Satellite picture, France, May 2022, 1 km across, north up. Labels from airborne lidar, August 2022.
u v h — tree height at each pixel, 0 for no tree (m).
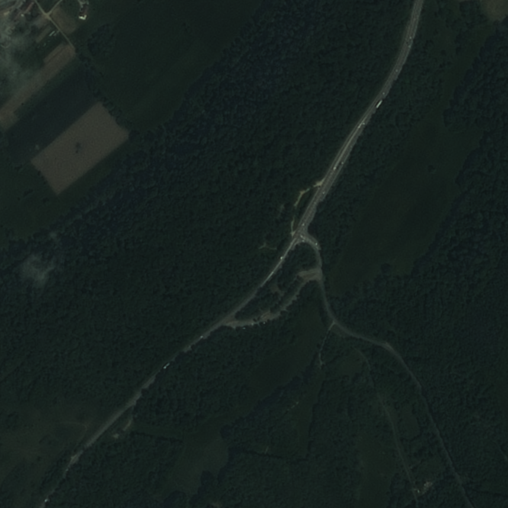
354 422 23
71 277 22
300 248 11
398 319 15
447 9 19
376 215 0
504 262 15
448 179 0
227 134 26
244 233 21
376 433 15
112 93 0
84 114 0
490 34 0
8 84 10
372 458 0
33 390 14
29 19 8
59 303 18
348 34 20
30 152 0
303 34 28
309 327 0
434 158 0
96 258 25
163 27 0
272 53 26
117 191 12
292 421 17
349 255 0
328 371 14
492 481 19
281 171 20
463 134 0
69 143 0
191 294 18
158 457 25
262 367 0
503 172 24
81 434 0
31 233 0
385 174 20
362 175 12
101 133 0
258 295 11
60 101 0
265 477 18
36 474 0
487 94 28
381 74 16
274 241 15
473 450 19
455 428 15
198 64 0
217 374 18
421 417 17
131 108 0
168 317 22
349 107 19
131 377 20
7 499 10
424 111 19
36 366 19
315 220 9
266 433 19
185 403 25
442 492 19
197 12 0
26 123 0
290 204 20
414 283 19
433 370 24
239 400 27
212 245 20
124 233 26
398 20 12
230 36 0
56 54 0
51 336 18
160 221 21
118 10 0
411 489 15
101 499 19
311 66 24
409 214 0
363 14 20
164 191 27
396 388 14
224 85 21
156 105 0
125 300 19
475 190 22
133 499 21
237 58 34
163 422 16
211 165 20
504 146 20
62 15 0
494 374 17
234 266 19
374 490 0
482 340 12
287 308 8
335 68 22
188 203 23
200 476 0
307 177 14
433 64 14
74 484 14
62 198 0
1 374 10
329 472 24
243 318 14
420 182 0
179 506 22
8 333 18
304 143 22
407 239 0
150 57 0
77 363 16
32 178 0
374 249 0
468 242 10
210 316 14
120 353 22
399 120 19
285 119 23
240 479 12
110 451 19
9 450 0
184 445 13
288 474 16
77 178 0
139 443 20
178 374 21
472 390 12
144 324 20
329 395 23
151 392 21
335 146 11
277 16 17
